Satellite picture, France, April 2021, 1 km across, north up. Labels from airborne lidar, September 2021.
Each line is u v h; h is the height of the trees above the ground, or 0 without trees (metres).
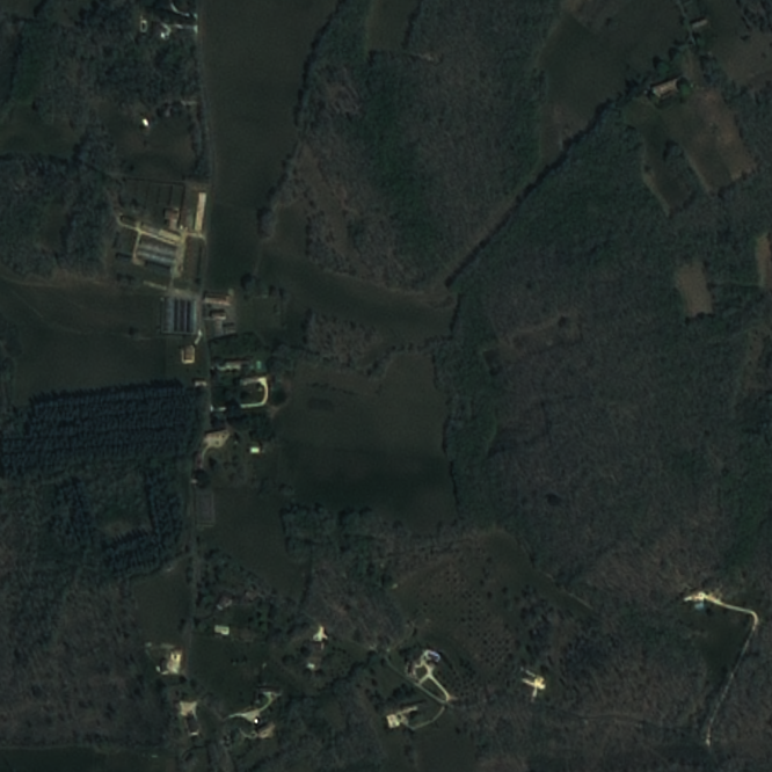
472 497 19
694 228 14
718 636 0
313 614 17
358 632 18
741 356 18
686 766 14
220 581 13
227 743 14
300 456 0
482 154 13
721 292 14
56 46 17
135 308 0
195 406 15
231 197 0
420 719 13
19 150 0
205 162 14
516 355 0
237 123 0
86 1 0
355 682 15
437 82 10
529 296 11
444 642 0
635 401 15
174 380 0
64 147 0
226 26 0
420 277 12
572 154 16
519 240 20
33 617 11
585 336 12
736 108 15
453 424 14
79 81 11
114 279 0
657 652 19
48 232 0
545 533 13
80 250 19
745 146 12
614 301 13
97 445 18
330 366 12
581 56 0
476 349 17
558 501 13
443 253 14
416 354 8
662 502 13
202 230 0
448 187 13
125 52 14
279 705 8
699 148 0
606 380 13
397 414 0
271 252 0
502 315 13
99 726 0
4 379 19
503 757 13
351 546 11
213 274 0
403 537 16
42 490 8
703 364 12
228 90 0
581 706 15
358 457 0
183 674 0
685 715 19
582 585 16
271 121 0
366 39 15
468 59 13
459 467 15
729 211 17
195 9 12
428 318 0
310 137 14
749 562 20
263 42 0
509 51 17
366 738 20
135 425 24
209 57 0
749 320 14
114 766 0
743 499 18
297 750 14
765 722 5
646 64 0
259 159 0
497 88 15
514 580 0
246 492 0
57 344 0
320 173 12
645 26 0
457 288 17
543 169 0
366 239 12
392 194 17
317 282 0
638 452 13
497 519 15
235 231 0
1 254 19
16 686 12
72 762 0
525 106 17
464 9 14
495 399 14
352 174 15
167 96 14
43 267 20
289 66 0
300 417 0
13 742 6
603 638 22
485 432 16
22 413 6
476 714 13
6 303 0
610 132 23
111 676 23
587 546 11
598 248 15
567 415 13
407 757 9
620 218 15
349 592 14
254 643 6
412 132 15
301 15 0
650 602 15
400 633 21
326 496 0
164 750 14
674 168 16
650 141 0
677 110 0
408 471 0
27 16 0
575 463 11
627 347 11
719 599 12
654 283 15
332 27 12
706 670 15
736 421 7
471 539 13
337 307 0
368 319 0
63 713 16
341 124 17
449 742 0
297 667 13
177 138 0
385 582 11
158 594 0
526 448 8
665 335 13
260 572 0
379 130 18
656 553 14
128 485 10
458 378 14
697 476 15
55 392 0
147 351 0
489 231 0
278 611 11
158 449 20
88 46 13
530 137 19
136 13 18
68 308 0
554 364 12
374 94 23
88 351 0
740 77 0
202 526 0
